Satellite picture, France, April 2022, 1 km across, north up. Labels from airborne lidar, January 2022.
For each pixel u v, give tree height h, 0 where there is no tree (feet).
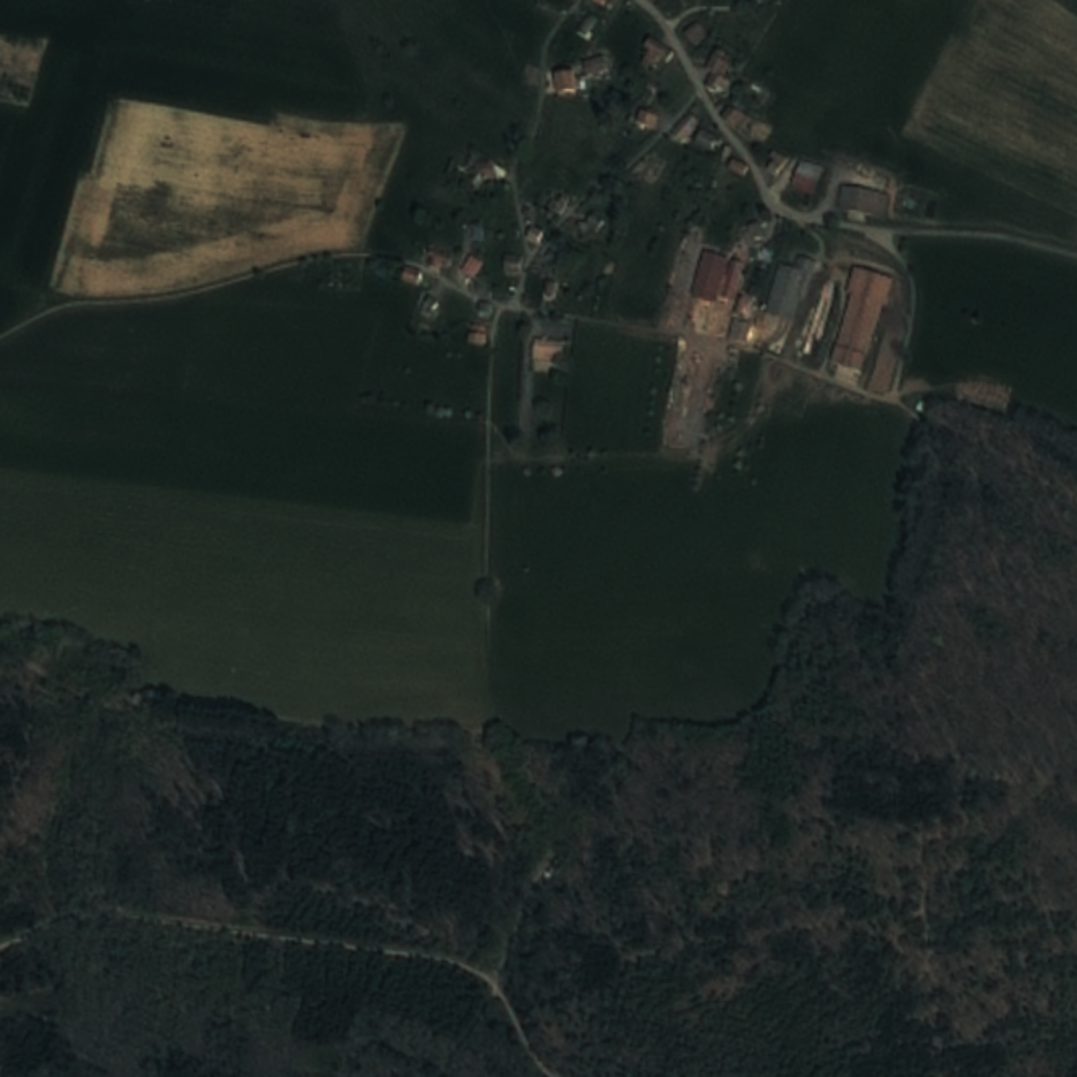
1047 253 0
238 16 0
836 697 45
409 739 70
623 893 28
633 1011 24
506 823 62
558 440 76
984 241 0
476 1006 46
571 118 0
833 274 0
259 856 78
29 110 0
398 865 82
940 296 0
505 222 0
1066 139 0
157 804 61
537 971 57
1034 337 0
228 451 0
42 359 0
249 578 0
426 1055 32
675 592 0
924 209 0
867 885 24
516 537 0
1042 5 0
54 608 0
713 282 0
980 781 37
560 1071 77
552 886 38
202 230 0
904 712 40
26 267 0
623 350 0
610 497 0
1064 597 70
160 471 0
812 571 0
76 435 0
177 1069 58
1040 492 67
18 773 21
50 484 0
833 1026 28
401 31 0
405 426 0
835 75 0
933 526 86
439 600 0
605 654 0
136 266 0
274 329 0
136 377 0
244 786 82
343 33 0
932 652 74
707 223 24
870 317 0
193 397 0
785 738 40
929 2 0
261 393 0
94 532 0
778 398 0
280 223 0
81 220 0
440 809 76
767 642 0
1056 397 0
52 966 35
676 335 0
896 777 33
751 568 0
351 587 0
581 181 0
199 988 58
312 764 74
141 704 53
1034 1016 24
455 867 74
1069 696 66
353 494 0
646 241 0
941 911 39
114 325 0
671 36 0
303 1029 31
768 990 28
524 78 0
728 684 0
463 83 0
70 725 48
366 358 0
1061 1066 38
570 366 40
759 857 25
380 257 21
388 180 0
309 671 0
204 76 0
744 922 35
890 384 0
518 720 0
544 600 0
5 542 0
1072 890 47
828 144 0
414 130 0
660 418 0
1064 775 33
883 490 0
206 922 47
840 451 0
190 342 0
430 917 52
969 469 69
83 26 0
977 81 0
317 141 0
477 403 0
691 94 0
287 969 42
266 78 0
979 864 49
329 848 78
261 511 0
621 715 0
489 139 0
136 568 0
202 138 0
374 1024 46
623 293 0
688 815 29
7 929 39
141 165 0
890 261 0
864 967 30
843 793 44
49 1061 66
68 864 31
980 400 0
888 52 0
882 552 0
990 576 80
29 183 0
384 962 35
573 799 57
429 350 0
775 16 0
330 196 0
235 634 0
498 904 55
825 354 0
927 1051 29
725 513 0
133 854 40
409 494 0
